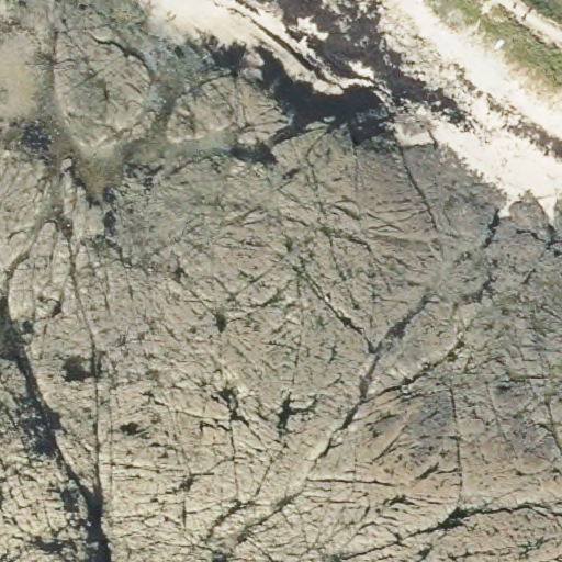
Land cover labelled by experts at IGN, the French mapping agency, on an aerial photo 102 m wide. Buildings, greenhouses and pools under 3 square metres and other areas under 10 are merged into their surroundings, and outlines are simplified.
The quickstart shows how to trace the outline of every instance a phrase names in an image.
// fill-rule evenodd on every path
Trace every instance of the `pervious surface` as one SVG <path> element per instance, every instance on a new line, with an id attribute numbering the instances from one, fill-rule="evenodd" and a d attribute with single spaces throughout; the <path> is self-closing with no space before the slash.
<path id="1" fill-rule="evenodd" d="M 531 26 L 542 35 L 544 42 L 555 42 L 562 50 L 562 29 L 553 20 L 542 18 L 536 9 L 527 7 L 522 0 L 483 0 L 483 13 L 501 4 L 507 11 L 512 11 L 520 24 Z"/>

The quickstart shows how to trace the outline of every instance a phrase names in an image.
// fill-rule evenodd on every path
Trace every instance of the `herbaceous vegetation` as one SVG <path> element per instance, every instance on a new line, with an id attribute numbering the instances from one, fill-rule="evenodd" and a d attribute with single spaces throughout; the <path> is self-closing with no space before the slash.
<path id="1" fill-rule="evenodd" d="M 351 86 L 342 94 L 325 94 L 314 90 L 305 81 L 292 79 L 283 64 L 274 57 L 272 61 L 261 66 L 259 86 L 255 90 L 261 90 L 266 99 L 277 101 L 277 108 L 283 114 L 294 116 L 290 127 L 274 132 L 272 138 L 277 145 L 305 134 L 305 127 L 310 123 L 316 123 L 325 116 L 334 116 L 334 121 L 327 125 L 327 134 L 336 132 L 340 125 L 347 125 L 351 143 L 356 147 L 360 147 L 364 141 L 373 136 L 391 138 L 395 134 L 395 130 L 389 130 L 389 123 L 395 123 L 395 116 L 382 105 L 382 101 L 369 88 Z"/>
<path id="2" fill-rule="evenodd" d="M 536 9 L 542 18 L 553 20 L 562 29 L 562 0 L 522 0 L 527 7 Z"/>
<path id="3" fill-rule="evenodd" d="M 522 64 L 522 68 L 533 66 L 538 75 L 536 79 L 547 79 L 551 88 L 562 90 L 562 50 L 555 42 L 544 42 L 542 35 L 531 26 L 520 24 L 512 11 L 507 11 L 501 4 L 483 13 L 483 0 L 426 0 L 426 7 L 441 20 L 446 29 L 463 31 L 472 24 L 483 29 L 496 40 L 503 40 L 503 55 L 507 64 L 516 61 Z"/>

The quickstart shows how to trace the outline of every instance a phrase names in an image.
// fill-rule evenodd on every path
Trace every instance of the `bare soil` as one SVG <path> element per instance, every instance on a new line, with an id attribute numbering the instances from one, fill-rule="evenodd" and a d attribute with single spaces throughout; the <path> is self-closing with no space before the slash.
<path id="1" fill-rule="evenodd" d="M 327 125 L 334 121 L 334 116 L 325 116 L 316 123 L 310 123 L 305 127 L 305 134 L 277 145 L 272 138 L 274 132 L 290 127 L 294 116 L 283 114 L 277 108 L 277 101 L 266 99 L 261 90 L 255 90 L 259 86 L 261 66 L 272 61 L 274 57 L 283 64 L 292 79 L 305 81 L 314 90 L 325 94 L 342 94 L 351 86 L 369 88 L 382 101 L 382 105 L 395 116 L 395 123 L 389 123 L 389 130 L 395 130 L 395 134 L 391 138 L 373 136 L 364 141 L 360 147 L 356 147 L 351 143 L 347 125 L 340 125 L 336 132 L 327 134 Z M 536 79 L 538 75 L 533 66 L 522 68 L 522 64 L 516 61 L 507 64 L 503 55 L 503 40 L 496 40 L 483 29 L 472 24 L 463 31 L 446 29 L 441 20 L 426 7 L 426 0 L 0 0 L 0 562 L 562 562 L 562 90 L 551 88 L 547 79 Z"/>

